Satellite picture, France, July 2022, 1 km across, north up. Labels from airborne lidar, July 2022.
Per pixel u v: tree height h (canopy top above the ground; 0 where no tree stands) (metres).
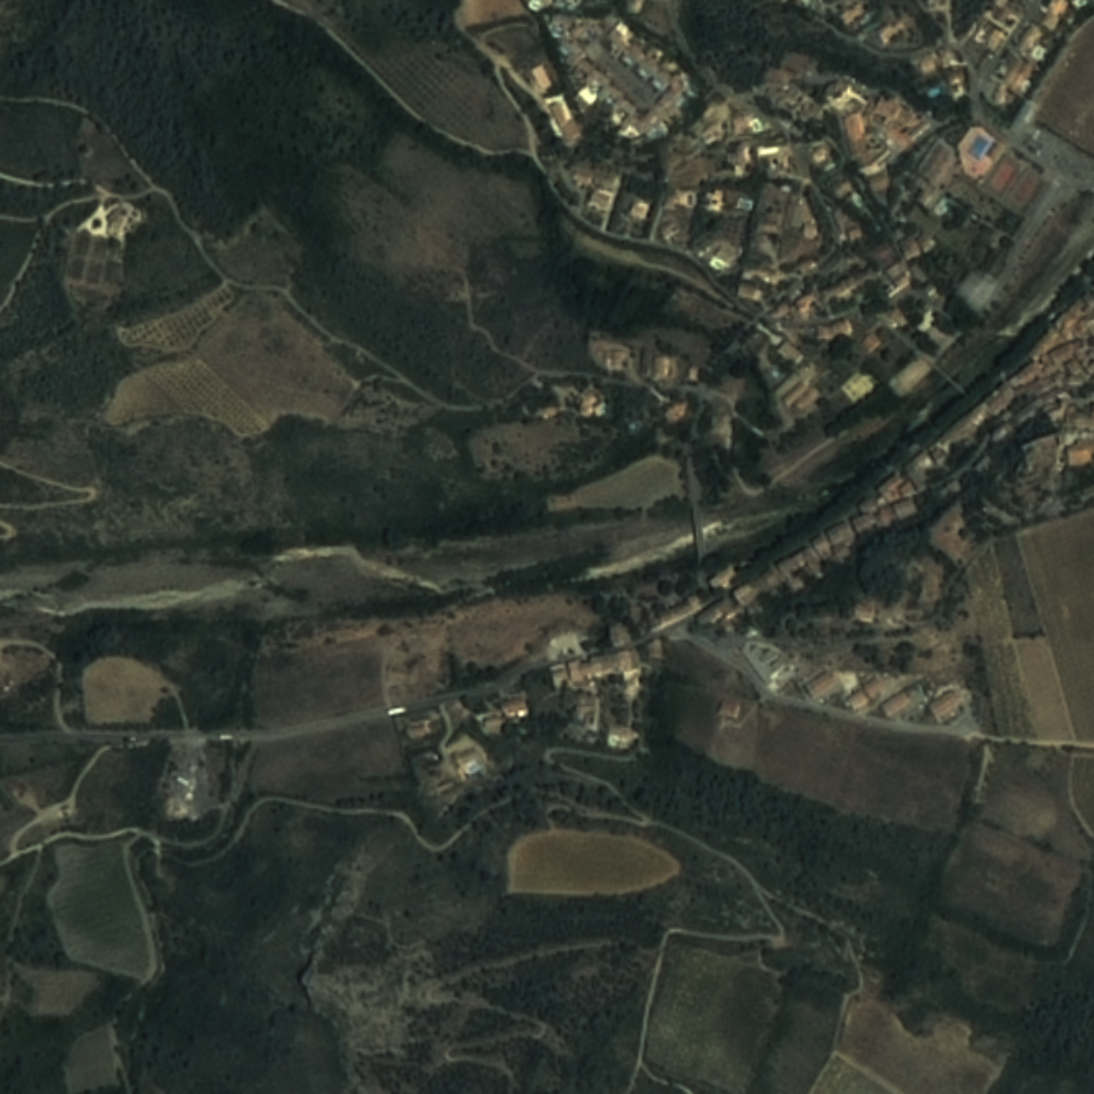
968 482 8
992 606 0
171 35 8
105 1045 0
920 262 10
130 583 0
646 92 0
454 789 0
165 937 6
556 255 8
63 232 9
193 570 0
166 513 0
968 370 0
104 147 0
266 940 0
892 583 7
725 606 0
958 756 0
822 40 6
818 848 9
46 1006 0
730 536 0
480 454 0
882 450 0
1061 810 0
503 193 0
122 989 9
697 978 0
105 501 0
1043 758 0
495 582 8
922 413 0
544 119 11
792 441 6
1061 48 7
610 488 0
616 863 0
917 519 5
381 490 8
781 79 0
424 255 0
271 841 0
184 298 10
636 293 12
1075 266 0
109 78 6
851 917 6
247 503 0
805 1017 0
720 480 7
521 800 9
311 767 0
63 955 13
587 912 12
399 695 0
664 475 0
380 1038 0
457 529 8
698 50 12
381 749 0
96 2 13
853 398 0
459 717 0
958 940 0
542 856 0
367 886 0
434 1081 6
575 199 6
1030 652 0
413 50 0
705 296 8
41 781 0
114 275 0
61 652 8
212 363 0
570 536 0
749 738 0
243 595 0
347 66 12
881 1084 0
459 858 12
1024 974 0
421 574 0
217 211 8
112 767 0
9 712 6
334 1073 0
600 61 0
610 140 6
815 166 7
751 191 7
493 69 7
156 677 0
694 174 0
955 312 22
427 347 6
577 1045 8
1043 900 0
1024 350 17
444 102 0
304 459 0
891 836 7
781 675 0
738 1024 0
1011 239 9
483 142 0
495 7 0
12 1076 7
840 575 7
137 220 0
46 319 10
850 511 17
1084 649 0
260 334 0
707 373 12
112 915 0
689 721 0
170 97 17
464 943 6
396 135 0
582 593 6
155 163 9
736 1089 0
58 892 0
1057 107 0
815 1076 0
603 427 6
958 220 9
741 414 8
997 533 9
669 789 7
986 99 8
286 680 0
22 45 9
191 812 0
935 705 0
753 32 16
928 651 6
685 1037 0
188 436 0
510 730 15
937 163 0
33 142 0
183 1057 7
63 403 6
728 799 12
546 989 6
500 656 0
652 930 7
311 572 0
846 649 0
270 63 9
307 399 0
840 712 0
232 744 10
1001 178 0
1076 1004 13
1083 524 0
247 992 5
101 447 9
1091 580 0
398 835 0
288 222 8
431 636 0
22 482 7
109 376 6
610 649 10
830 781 0
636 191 14
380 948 6
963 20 6
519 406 10
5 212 6
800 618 9
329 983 0
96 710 0
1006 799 0
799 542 15
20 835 0
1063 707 0
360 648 0
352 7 12
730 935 0
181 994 0
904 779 0
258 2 15
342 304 8
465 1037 6
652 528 0
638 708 7
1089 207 0
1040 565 0
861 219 6
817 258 6
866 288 14
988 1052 0
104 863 0
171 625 6
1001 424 9
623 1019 9
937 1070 0
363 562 0
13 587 0
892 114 0
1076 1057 7
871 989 0
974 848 0
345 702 0
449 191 0
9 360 14
